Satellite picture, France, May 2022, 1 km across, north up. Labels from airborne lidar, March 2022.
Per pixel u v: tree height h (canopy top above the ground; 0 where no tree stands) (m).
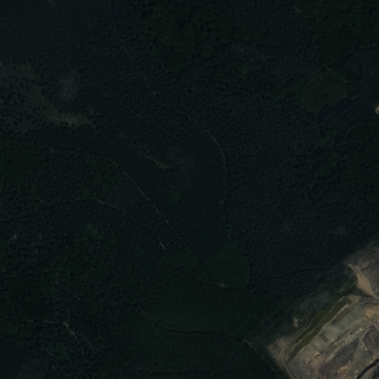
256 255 29
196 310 20
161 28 8
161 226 21
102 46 28
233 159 27
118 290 27
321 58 21
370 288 0
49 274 26
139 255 22
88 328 22
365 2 20
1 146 22
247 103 28
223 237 19
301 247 29
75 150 25
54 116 0
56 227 28
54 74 15
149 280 23
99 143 17
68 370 34
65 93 17
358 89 31
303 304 0
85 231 24
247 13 29
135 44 29
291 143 29
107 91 28
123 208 19
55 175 30
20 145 15
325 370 0
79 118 0
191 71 30
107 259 24
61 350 31
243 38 21
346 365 0
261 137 28
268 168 26
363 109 30
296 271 22
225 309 23
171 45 7
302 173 28
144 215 21
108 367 22
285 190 22
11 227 20
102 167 22
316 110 0
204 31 27
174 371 16
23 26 19
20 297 7
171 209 15
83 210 32
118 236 24
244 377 18
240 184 25
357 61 29
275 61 32
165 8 7
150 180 16
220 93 25
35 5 20
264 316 18
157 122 29
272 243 30
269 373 19
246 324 22
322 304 0
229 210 28
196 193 19
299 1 24
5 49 19
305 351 0
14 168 22
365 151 22
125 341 19
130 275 22
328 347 0
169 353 19
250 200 32
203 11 23
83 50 24
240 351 21
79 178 24
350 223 28
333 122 30
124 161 15
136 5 28
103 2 23
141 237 22
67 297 33
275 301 18
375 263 0
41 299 8
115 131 8
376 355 0
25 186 27
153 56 27
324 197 28
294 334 0
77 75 15
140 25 26
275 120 29
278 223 29
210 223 19
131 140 13
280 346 0
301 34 29
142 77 24
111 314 19
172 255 17
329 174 17
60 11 19
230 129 28
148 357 17
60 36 22
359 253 0
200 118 25
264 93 20
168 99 30
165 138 17
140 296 22
